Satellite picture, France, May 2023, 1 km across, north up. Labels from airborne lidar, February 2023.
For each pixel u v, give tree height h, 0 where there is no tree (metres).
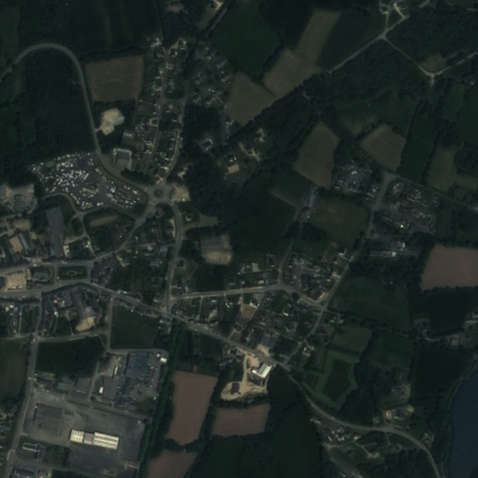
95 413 0
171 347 17
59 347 0
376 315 0
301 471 0
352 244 0
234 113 0
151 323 0
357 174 0
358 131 0
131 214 0
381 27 0
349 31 0
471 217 0
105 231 8
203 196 22
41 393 0
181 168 0
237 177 0
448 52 7
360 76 10
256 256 0
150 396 0
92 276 0
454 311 0
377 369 7
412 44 9
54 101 8
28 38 8
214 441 13
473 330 11
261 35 0
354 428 0
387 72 9
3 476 0
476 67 24
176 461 0
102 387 0
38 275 0
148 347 0
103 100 0
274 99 0
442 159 0
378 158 0
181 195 0
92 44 0
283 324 0
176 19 17
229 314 0
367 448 0
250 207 0
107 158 0
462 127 0
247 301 0
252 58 0
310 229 13
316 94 11
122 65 0
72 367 0
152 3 0
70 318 0
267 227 0
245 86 0
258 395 0
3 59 0
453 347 7
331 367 0
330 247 0
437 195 7
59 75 9
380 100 0
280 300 0
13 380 0
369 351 11
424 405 15
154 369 0
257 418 0
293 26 0
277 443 0
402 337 6
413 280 19
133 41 0
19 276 0
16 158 19
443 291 6
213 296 0
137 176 15
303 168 0
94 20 0
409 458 8
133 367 0
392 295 0
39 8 10
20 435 0
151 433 10
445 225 0
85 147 9
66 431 0
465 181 0
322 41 0
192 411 0
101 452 0
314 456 0
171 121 6
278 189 0
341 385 0
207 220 0
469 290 6
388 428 0
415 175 0
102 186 0
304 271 0
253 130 16
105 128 0
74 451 0
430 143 0
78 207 0
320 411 0
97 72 0
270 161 9
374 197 0
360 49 0
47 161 0
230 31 0
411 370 7
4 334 17
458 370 0
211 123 10
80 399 0
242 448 0
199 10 18
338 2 0
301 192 0
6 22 0
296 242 0
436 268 0
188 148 9
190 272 0
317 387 0
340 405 0
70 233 0
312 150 0
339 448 0
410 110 0
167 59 0
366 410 0
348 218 0
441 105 12
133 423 0
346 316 10
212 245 0
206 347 0
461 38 6
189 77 12
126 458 0
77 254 10
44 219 9
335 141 0
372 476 8
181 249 0
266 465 14
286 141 6
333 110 15
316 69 0
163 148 0
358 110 0
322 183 0
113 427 0
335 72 10
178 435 0
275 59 12
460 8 14
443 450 18
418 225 0
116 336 0
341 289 0
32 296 0
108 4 0
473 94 0
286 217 0
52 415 0
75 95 9
